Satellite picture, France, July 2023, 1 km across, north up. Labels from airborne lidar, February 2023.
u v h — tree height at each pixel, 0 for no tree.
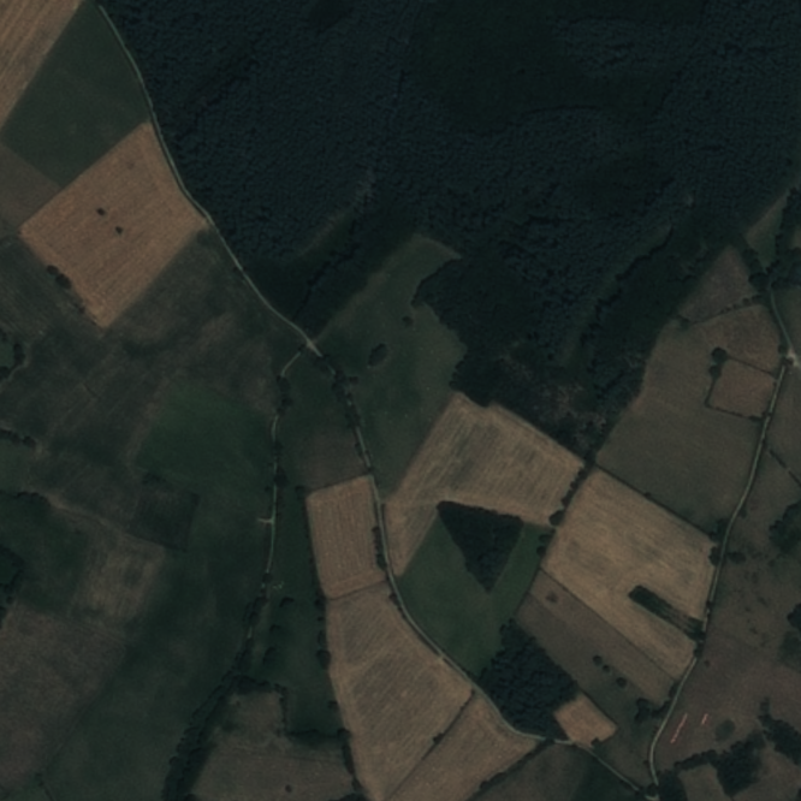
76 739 0
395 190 24
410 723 0
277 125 33
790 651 0
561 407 0
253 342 0
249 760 0
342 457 0
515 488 0
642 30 35
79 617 0
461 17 22
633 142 32
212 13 29
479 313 13
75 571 0
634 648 0
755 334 0
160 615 0
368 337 0
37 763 0
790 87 32
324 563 0
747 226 25
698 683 0
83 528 0
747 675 0
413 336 0
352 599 0
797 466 0
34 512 0
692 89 33
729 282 0
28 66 0
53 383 0
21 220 0
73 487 0
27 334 0
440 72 21
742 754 9
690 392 0
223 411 0
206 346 0
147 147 0
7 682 0
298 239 26
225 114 29
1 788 0
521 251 16
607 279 38
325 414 0
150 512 0
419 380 0
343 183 27
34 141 0
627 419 0
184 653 0
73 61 0
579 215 34
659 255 19
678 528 0
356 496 0
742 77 38
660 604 7
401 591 0
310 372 0
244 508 0
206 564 0
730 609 0
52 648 0
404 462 0
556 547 0
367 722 0
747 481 0
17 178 0
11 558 8
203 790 0
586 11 27
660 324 19
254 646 10
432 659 0
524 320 21
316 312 18
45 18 0
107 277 0
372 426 0
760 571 0
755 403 0
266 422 0
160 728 0
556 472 0
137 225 0
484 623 0
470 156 31
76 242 0
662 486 0
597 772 0
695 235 21
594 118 36
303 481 0
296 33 33
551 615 0
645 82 25
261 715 0
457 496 0
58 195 0
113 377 0
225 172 28
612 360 20
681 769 11
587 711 0
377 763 0
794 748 12
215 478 0
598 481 0
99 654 0
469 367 11
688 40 35
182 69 30
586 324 35
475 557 9
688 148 34
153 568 0
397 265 0
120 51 0
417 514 0
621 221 22
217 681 0
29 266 0
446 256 0
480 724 0
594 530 0
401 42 20
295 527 0
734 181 32
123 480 0
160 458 0
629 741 0
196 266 0
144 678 0
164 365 0
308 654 0
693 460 0
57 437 0
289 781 0
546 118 34
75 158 0
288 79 30
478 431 0
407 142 35
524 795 0
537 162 33
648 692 0
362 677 0
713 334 0
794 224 16
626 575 0
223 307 0
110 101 0
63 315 0
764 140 31
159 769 0
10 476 0
